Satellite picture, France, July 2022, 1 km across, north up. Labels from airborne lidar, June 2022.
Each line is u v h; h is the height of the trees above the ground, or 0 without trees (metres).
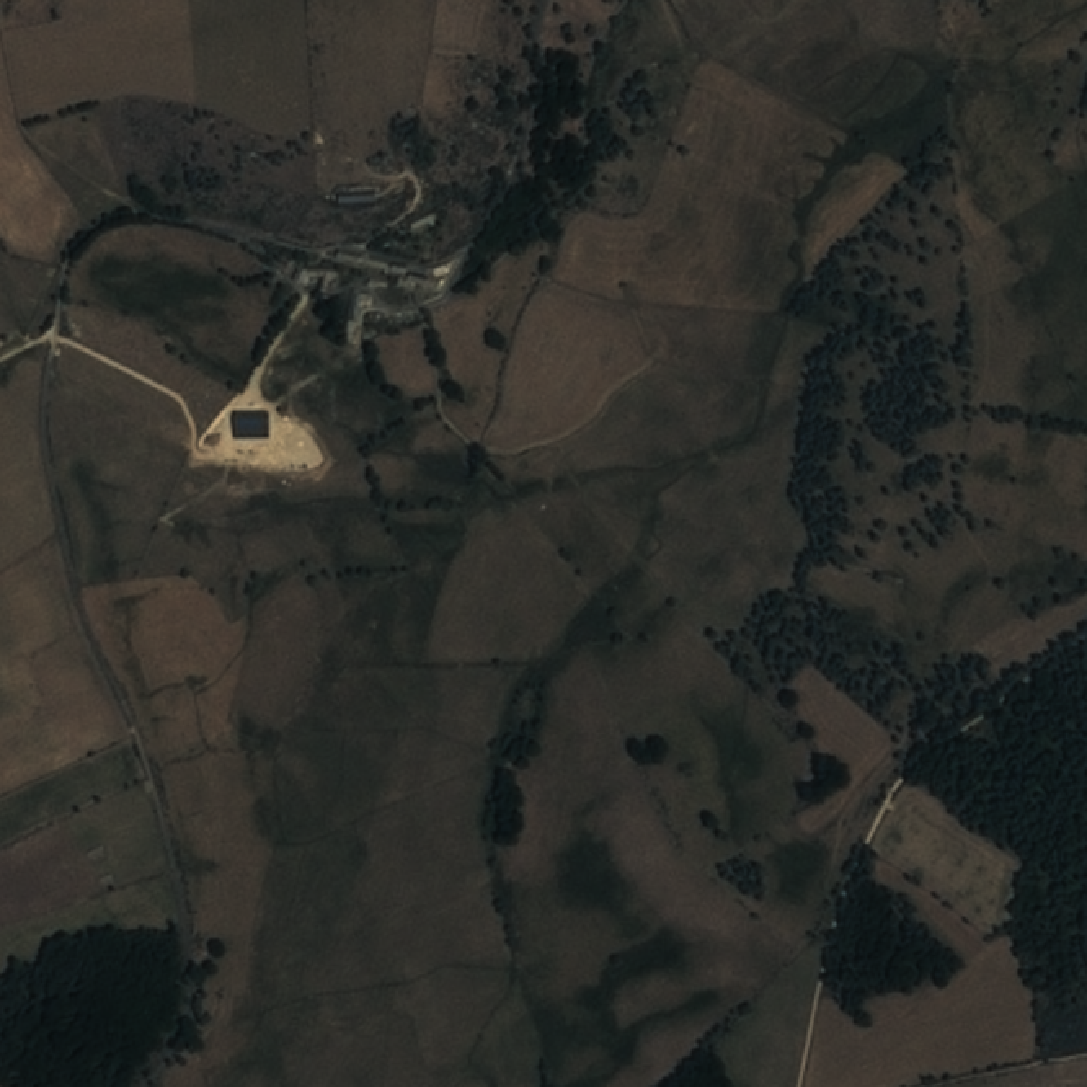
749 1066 0
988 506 0
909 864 0
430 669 0
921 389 10
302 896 0
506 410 0
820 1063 0
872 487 0
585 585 0
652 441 0
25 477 0
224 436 0
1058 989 12
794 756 0
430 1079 0
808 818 0
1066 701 14
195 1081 0
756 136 0
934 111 0
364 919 0
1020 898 10
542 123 15
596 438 0
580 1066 0
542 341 0
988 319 0
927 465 16
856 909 13
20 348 0
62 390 0
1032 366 0
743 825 0
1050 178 0
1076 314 0
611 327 0
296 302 8
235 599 0
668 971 0
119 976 18
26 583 0
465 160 0
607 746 0
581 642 0
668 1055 0
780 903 0
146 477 0
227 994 0
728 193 0
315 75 0
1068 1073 0
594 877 0
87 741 0
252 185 0
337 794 0
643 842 0
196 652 0
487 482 0
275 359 0
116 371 0
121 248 0
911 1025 0
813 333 0
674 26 0
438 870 0
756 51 0
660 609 0
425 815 0
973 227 0
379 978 0
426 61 0
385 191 0
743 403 0
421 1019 0
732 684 0
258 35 0
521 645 0
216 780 0
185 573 7
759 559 0
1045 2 0
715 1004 0
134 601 0
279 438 0
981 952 0
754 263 0
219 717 0
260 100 0
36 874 0
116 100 0
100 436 0
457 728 0
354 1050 0
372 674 0
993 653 0
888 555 0
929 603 0
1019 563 0
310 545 0
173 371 0
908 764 10
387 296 0
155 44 0
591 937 0
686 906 0
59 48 0
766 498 0
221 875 0
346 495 0
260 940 0
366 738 0
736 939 0
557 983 0
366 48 0
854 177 0
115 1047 17
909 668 9
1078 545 0
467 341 0
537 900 0
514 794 16
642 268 0
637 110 16
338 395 0
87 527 0
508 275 0
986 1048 0
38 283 0
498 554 0
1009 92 0
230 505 0
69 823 0
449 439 0
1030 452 0
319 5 0
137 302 0
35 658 0
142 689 0
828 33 0
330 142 0
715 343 0
